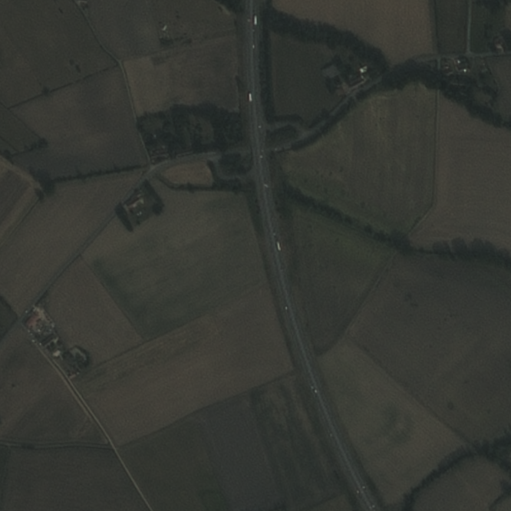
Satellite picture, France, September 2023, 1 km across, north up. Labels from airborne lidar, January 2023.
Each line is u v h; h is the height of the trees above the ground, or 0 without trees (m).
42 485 0
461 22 0
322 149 0
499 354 0
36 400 0
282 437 0
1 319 0
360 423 0
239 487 0
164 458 0
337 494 0
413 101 0
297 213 0
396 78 20
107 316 0
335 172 0
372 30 0
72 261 0
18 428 0
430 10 0
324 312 0
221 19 0
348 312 0
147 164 0
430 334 0
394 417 0
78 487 0
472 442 0
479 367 0
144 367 0
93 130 0
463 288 0
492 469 0
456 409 0
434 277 0
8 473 0
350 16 0
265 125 0
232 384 0
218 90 0
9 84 0
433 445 0
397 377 0
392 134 0
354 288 0
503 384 0
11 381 0
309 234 0
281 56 0
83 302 0
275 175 0
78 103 0
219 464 0
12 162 9
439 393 0
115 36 0
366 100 0
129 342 0
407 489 0
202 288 0
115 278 0
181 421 0
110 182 0
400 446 0
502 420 0
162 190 0
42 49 0
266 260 0
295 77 0
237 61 0
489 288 0
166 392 0
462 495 0
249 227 0
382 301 0
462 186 0
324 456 0
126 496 0
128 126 0
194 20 0
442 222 0
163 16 0
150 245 0
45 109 0
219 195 0
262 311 0
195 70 0
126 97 0
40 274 0
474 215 0
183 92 0
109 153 0
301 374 0
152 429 0
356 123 0
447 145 0
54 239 0
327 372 0
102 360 0
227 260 0
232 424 0
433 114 0
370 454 0
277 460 0
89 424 0
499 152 0
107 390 0
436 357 0
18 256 0
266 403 0
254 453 0
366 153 0
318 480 0
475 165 0
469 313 0
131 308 0
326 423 0
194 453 0
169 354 0
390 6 0
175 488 0
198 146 19
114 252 0
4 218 0
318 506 0
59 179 8
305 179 0
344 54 0
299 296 0
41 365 0
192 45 0
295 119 10
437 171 0
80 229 0
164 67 0
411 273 0
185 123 10
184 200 0
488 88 9
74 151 0
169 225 0
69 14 0
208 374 0
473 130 0
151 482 0
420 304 0
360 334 0
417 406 0
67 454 0
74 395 0
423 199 0
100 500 0
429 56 0
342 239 0
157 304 0
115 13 0
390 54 0
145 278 0
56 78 0
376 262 0
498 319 0
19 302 0
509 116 0
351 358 0
